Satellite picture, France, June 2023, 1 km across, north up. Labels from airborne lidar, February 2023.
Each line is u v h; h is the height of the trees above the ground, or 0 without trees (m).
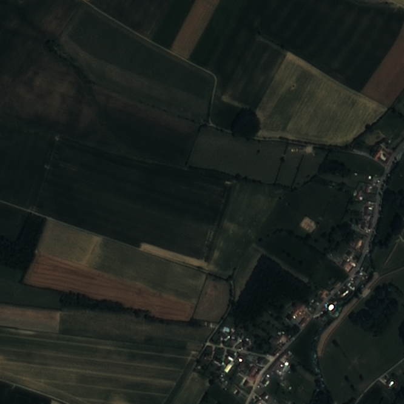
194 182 0
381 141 9
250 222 0
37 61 0
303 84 0
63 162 0
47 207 0
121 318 0
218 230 0
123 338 0
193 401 0
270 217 0
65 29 0
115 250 0
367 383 0
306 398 0
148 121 0
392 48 0
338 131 0
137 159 0
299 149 0
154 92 0
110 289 0
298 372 0
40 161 0
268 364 0
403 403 0
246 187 0
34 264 0
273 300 18
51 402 0
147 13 0
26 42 0
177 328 0
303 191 0
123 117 0
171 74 0
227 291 0
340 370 0
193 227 0
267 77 0
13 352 0
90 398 0
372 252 8
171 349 0
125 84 0
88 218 0
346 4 0
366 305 0
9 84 0
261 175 0
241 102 0
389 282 0
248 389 0
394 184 0
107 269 0
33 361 0
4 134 0
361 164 0
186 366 0
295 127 0
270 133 0
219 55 0
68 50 0
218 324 0
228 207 0
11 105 0
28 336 0
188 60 0
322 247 0
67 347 0
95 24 0
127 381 0
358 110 0
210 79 0
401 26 0
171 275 0
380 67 0
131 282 0
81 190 0
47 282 0
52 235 0
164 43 0
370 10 0
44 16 0
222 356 0
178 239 0
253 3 0
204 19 0
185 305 0
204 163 0
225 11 0
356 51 0
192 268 0
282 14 0
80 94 0
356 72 0
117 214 0
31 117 0
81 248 0
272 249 0
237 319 10
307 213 0
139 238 0
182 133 0
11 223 0
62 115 0
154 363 0
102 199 0
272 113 0
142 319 0
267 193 0
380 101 0
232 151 0
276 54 0
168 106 0
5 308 0
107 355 0
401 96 0
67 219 0
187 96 0
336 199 0
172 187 0
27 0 0
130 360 0
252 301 28
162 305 0
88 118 0
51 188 0
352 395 0
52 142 0
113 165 0
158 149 0
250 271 0
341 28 0
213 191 0
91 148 0
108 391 0
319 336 0
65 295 8
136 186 0
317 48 0
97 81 0
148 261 0
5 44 0
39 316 0
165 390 0
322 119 0
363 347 0
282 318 15
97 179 0
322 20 0
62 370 0
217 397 0
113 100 0
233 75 0
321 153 0
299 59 0
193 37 0
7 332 0
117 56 0
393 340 0
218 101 0
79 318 0
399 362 0
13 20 0
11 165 0
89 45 0
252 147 0
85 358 0
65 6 0
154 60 0
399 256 0
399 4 0
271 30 0
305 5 0
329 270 0
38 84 0
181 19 0
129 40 0
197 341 0
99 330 0
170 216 0
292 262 0
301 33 0
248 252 0
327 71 0
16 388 0
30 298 0
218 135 0
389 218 0
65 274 0
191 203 0
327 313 13
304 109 0
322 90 0
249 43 0
